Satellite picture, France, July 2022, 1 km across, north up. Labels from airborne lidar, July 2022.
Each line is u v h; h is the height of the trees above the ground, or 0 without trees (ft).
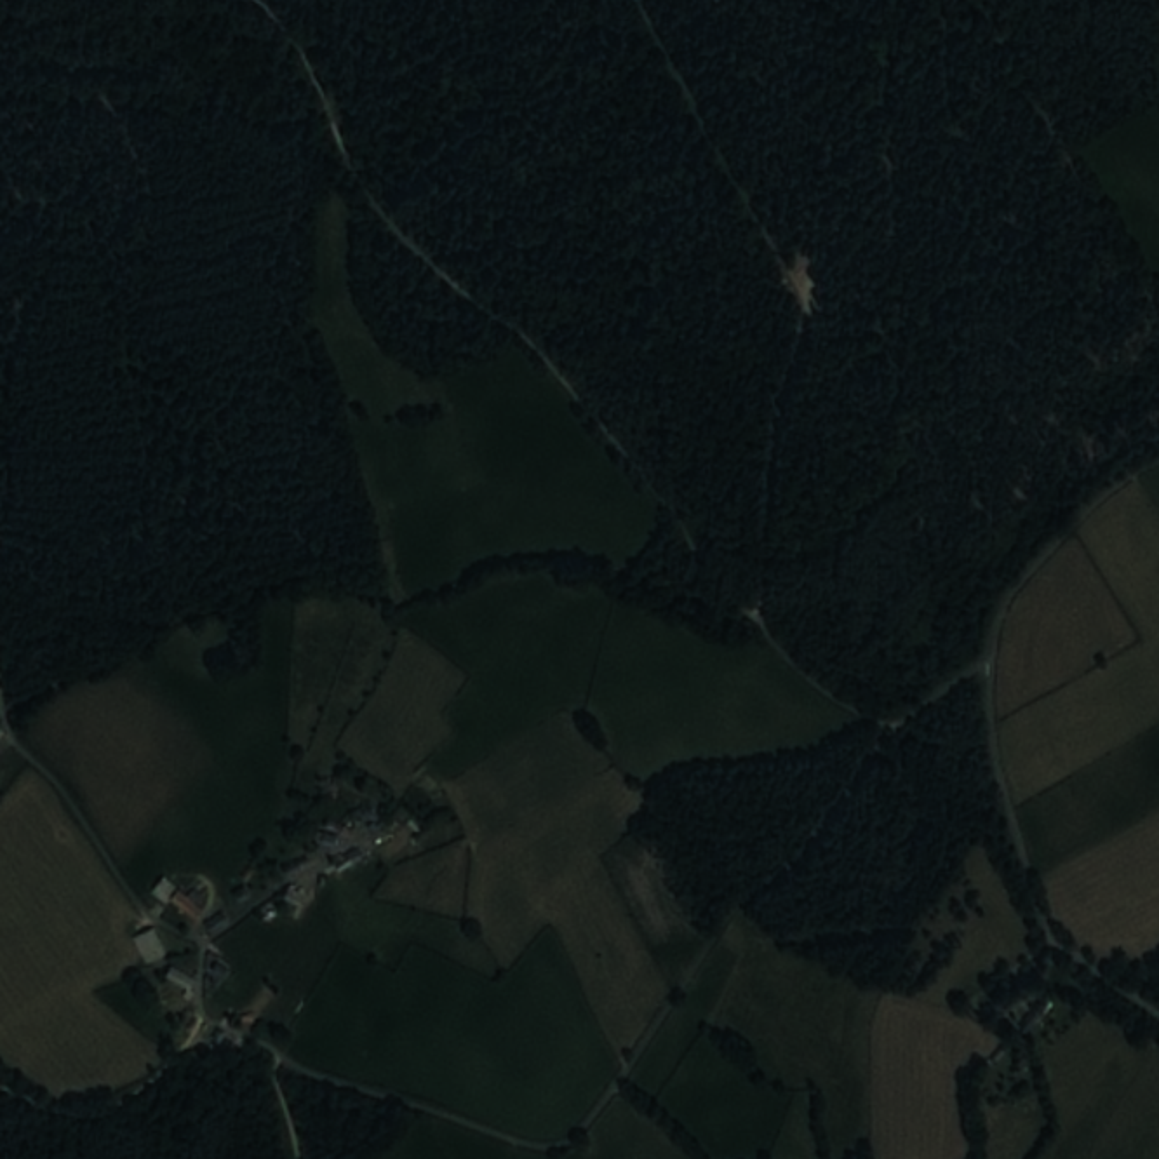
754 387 97
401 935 0
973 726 61
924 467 49
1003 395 70
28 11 68
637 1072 0
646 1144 0
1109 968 54
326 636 0
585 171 57
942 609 57
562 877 0
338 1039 0
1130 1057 0
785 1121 0
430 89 28
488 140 101
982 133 90
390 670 0
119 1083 0
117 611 48
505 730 0
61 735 0
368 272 77
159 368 57
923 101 81
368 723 0
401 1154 0
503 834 0
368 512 56
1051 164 102
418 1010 0
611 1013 0
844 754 65
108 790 0
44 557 79
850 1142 0
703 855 82
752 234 81
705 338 92
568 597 0
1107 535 0
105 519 67
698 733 0
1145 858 0
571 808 0
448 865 0
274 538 69
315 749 0
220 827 0
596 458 0
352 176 31
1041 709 0
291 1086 52
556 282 113
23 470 63
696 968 0
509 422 0
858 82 113
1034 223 62
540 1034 0
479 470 0
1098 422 55
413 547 0
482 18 64
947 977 0
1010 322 89
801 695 0
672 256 107
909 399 68
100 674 51
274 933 0
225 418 77
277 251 28
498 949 0
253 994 0
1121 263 62
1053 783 0
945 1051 0
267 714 0
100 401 78
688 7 60
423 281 88
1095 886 0
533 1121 0
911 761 85
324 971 0
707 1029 38
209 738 0
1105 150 0
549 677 0
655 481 70
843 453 99
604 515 0
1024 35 57
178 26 28
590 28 18
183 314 59
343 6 94
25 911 0
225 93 57
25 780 0
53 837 0
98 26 46
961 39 94
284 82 25
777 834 99
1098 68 71
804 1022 0
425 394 0
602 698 0
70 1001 0
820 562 54
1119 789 0
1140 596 0
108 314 41
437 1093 0
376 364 0
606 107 72
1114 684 0
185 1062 25
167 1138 20
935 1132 0
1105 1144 0
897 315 84
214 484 105
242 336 55
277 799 0
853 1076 0
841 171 81
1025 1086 42
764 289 90
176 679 0
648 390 89
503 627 0
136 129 93
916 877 72
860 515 44
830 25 73
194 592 54
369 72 67
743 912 47
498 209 65
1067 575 0
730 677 0
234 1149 38
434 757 0
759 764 67
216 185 62
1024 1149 0
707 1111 0
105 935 0
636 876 0
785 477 84
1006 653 0
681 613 79
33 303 59
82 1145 60
